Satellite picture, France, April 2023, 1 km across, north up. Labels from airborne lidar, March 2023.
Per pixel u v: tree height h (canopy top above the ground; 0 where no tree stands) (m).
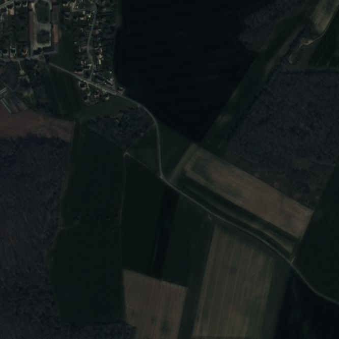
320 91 27
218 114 0
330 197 0
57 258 0
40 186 23
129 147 8
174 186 0
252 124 21
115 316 0
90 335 24
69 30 13
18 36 0
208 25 0
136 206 0
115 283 0
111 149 0
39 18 0
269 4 7
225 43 0
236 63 0
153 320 0
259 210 0
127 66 0
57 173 26
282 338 0
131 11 0
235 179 0
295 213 0
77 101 0
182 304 0
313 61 0
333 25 0
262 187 0
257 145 25
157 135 0
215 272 0
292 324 0
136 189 0
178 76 0
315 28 0
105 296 0
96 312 0
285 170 9
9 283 29
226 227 0
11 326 27
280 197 0
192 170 0
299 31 0
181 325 0
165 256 0
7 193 25
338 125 30
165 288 0
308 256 0
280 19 22
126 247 0
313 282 0
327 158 23
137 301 0
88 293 0
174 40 0
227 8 0
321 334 0
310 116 21
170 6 0
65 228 0
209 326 0
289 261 0
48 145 22
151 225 0
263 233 0
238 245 0
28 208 23
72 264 0
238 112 0
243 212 0
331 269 0
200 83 0
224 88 0
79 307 0
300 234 0
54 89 0
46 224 24
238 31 0
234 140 18
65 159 25
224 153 0
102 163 0
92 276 0
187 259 0
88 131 0
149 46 0
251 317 0
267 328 0
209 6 0
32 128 0
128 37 0
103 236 0
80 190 0
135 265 0
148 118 9
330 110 23
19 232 22
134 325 0
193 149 0
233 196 0
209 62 0
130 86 0
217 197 0
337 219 0
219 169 0
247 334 0
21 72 0
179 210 0
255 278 0
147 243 0
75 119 0
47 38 16
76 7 0
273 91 10
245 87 0
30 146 26
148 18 0
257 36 9
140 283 0
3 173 22
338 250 0
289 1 20
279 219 0
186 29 0
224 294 0
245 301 0
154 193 0
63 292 0
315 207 0
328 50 0
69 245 0
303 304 0
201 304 0
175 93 0
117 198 0
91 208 0
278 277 0
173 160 0
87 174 0
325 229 0
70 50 0
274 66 0
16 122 0
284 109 20
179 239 0
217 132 0
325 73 8
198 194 0
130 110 9
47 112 20
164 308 0
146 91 0
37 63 14
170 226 0
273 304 0
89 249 0
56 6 0
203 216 0
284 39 0
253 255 0
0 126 0
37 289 26
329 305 0
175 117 0
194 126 0
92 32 0
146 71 0
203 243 0
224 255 0
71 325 0
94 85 0
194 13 0
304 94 19
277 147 26
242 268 0
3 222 25
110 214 0
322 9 0
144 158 0
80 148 0
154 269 0
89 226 0
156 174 0
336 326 0
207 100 0
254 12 17
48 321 19
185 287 0
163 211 0
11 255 25
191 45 0
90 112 0
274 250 0
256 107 14
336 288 0
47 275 14
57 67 0
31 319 26
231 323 0
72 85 0
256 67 0
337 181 0
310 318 0
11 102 0
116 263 0
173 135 0
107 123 7
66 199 0
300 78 13
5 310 26
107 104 0
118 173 0
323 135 27
